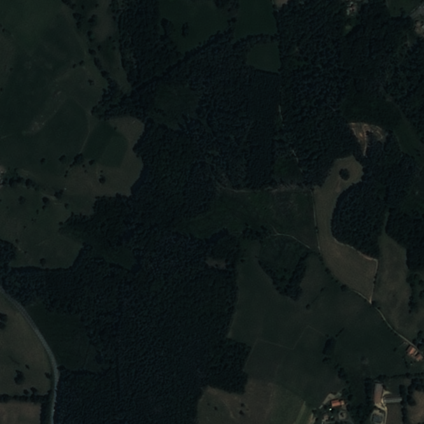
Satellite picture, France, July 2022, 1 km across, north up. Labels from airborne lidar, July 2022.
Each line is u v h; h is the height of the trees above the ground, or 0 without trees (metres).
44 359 0
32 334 0
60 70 0
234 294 35
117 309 21
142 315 22
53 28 0
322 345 0
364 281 0
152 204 17
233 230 0
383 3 23
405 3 0
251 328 0
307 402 0
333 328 0
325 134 19
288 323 0
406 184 22
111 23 0
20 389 0
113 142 0
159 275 25
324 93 16
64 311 16
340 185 0
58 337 0
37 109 0
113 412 21
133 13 15
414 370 0
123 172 0
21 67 0
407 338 0
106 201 6
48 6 0
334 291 0
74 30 0
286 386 0
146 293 16
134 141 0
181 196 20
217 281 30
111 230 8
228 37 15
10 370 0
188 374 19
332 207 0
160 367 19
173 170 19
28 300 29
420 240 13
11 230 0
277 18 18
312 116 14
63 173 0
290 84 12
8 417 0
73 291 17
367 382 11
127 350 27
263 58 0
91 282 25
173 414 20
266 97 17
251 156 15
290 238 0
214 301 24
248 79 8
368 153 0
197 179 20
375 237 18
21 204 7
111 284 24
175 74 16
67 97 0
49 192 0
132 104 20
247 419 0
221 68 22
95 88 0
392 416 0
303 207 0
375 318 0
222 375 19
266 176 14
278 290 10
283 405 0
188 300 23
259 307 0
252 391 0
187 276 22
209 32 0
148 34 22
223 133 30
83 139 0
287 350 0
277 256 0
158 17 22
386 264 0
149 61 24
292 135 18
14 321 0
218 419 0
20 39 0
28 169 0
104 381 20
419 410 0
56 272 14
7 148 0
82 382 19
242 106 15
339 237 18
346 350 0
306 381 0
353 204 19
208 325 12
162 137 20
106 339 24
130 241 26
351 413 7
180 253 23
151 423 23
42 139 0
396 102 7
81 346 0
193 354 17
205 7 0
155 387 21
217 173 33
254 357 0
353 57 30
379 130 0
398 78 13
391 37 27
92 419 24
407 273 0
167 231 22
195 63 19
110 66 0
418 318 0
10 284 25
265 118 19
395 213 19
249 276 0
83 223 7
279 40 14
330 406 7
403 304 0
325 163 23
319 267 0
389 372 0
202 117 19
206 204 16
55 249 0
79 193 0
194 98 0
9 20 0
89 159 0
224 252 26
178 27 0
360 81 25
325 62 11
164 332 16
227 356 18
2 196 0
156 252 27
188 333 17
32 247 0
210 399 0
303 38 17
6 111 0
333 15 20
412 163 22
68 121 0
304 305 0
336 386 0
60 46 0
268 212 0
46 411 19
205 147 25
